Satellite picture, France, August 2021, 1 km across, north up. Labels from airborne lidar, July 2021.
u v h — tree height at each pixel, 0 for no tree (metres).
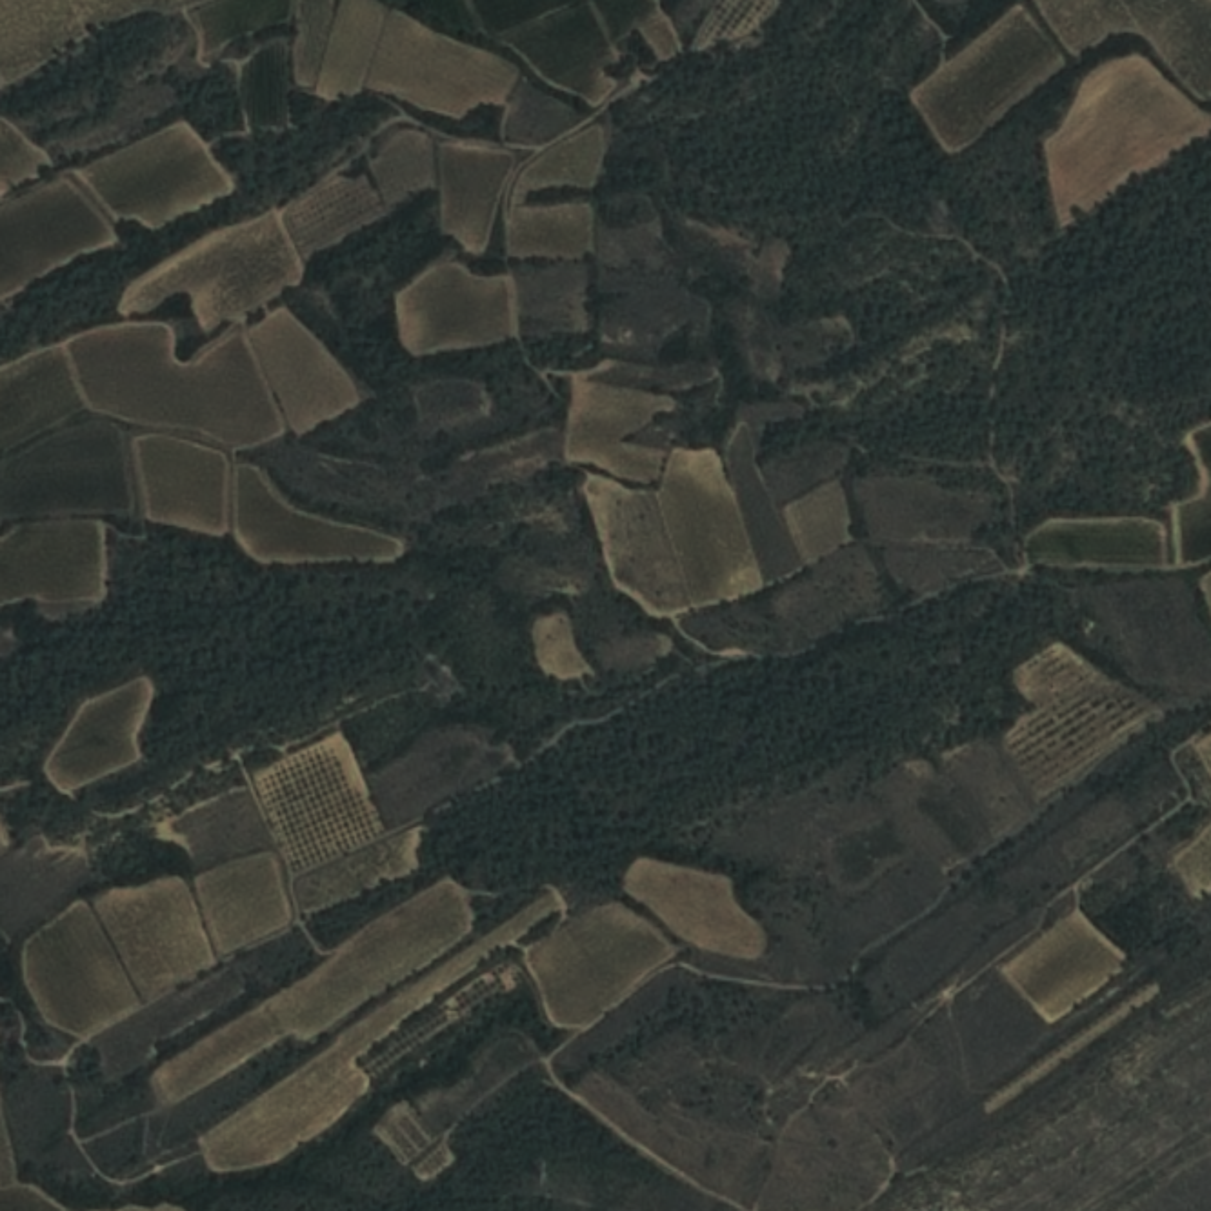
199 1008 0
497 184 0
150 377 0
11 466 0
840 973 0
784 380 6
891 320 7
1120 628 0
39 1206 0
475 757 0
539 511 0
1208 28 0
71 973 0
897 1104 0
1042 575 11
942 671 10
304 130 9
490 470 0
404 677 11
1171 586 0
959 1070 0
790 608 0
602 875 14
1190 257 8
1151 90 0
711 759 12
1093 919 6
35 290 13
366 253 8
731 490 0
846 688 14
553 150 0
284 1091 0
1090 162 0
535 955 0
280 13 0
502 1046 0
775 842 0
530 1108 7
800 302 7
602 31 0
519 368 9
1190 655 0
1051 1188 0
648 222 0
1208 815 9
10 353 11
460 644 28
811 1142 0
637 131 7
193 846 0
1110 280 11
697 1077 0
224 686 14
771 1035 0
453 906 0
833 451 0
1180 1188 0
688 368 0
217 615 10
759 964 0
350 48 0
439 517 6
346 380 0
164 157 0
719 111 9
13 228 0
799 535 0
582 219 0
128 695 0
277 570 7
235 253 0
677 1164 0
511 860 13
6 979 7
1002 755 0
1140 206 9
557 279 0
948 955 0
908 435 9
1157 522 0
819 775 9
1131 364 9
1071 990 0
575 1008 0
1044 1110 0
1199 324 11
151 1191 7
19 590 0
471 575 9
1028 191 8
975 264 7
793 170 9
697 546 0
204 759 7
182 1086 0
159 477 0
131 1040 0
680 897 0
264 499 0
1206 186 5
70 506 0
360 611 11
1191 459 8
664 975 0
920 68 6
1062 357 9
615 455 0
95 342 0
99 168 0
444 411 0
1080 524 0
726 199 7
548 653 0
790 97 8
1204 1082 0
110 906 0
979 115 0
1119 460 9
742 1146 0
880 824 0
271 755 10
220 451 0
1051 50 0
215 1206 7
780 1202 0
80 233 0
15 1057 11
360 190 0
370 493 0
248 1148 0
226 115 9
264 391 0
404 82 0
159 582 9
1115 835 0
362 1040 0
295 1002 0
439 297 0
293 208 0
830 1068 0
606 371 0
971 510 0
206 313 0
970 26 5
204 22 0
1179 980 0
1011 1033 0
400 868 0
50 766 0
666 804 12
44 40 0
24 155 0
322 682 8
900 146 13
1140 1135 0
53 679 10
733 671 12
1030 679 0
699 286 6
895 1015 0
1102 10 0
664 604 0
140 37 12
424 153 0
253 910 0
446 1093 0
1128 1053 0
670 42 0
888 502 0
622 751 10
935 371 9
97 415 0
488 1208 8
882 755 11
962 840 0
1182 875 0
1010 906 0
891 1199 0
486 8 0
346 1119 6
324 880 0
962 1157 0
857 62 7
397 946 0
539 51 0
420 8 10
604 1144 11
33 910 0
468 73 0
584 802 11
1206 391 10
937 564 0
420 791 0
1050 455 8
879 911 0
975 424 11
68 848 0
